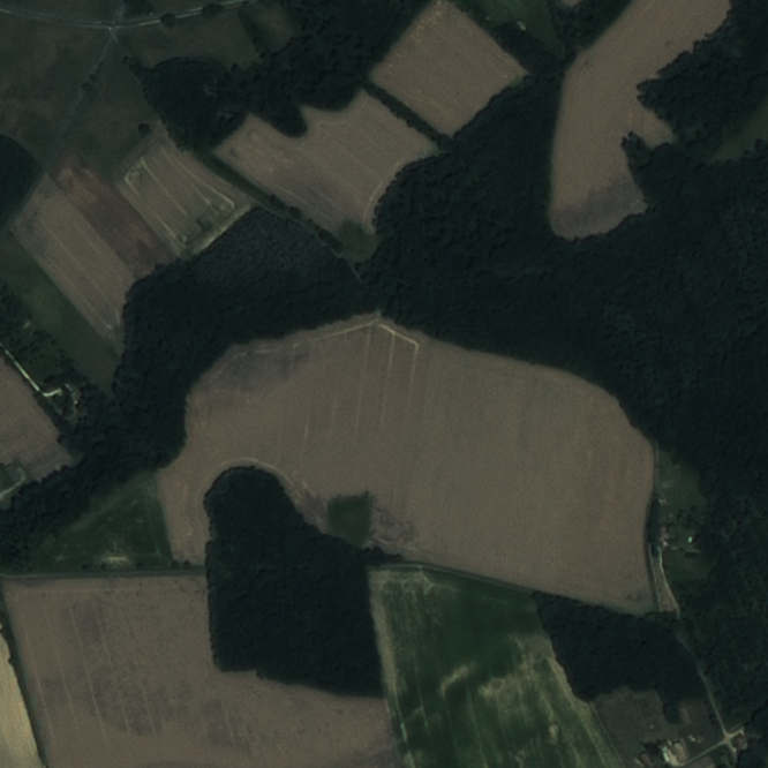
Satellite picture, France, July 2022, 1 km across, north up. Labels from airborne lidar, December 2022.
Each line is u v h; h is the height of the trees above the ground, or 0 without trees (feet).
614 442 0
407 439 0
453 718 0
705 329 0
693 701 37
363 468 0
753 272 0
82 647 0
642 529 0
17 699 0
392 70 0
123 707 0
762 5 54
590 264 78
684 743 0
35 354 27
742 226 0
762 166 53
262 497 73
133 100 0
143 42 0
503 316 54
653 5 0
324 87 73
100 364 0
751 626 23
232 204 0
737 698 29
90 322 0
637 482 0
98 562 0
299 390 0
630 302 0
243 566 73
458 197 84
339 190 0
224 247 47
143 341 55
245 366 0
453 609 0
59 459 0
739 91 72
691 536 0
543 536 0
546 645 0
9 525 31
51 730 0
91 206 0
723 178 56
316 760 0
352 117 0
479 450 0
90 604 0
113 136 0
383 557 43
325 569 69
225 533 35
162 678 0
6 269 0
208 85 79
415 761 0
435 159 36
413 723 0
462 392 0
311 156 0
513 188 27
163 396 73
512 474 0
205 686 0
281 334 58
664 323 0
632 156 74
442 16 0
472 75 0
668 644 62
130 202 0
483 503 0
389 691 0
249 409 0
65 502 61
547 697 0
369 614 33
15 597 0
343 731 0
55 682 0
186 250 0
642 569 0
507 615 0
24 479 0
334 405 0
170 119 71
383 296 75
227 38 0
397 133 0
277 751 0
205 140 70
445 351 0
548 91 51
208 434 0
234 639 64
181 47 0
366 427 0
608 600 0
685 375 0
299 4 73
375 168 0
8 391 0
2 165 79
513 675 0
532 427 0
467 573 0
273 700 0
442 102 0
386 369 0
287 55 26
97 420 89
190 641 0
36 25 0
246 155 0
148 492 0
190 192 0
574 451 0
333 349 0
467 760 0
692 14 0
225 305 45
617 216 0
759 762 78
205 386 0
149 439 73
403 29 42
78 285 0
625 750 0
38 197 0
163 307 71
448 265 86
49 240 0
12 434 0
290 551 79
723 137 67
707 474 43
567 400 0
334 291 67
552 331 50
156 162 0
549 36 0
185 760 0
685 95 85
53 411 35
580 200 0
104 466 64
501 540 0
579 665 77
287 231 43
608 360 51
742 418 72
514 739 0
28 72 0
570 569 0
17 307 52
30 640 0
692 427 71
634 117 0
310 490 0
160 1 0
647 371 0
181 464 0
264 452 0
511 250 68
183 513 0
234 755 0
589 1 29
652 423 48
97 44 0
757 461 75
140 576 0
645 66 0
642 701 0
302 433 0
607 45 0
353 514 0
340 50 77
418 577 0
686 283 0
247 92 68
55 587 0
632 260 70
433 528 0
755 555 35
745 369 71
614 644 86
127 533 0
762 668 36
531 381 0
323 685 59
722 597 25
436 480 0
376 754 0
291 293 45
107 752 0
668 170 61
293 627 75
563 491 0
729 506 36
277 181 0
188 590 0
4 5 0
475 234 41
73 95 0
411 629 0
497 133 41
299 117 26
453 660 0
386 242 27
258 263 40
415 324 44
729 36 53
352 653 70
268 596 72
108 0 0
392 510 0
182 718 0
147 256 0
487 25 34
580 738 0
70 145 0
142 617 0
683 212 47
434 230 73
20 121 0
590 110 0
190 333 77
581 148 0
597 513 0
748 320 0
